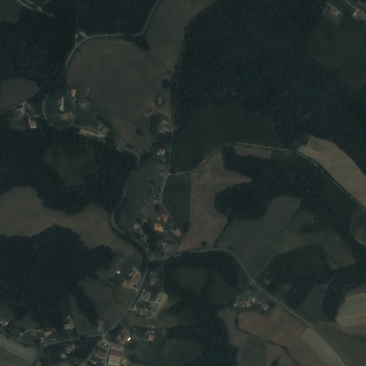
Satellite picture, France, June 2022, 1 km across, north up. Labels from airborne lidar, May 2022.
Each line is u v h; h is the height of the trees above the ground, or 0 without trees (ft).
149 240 33
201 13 22
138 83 0
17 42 38
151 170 0
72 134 72
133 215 0
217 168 0
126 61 0
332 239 0
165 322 0
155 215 0
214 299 0
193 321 0
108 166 35
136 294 0
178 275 0
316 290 0
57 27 34
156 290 20
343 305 0
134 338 0
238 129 0
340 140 19
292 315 0
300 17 75
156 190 0
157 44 0
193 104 63
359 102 52
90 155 0
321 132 36
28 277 74
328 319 0
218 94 68
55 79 83
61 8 39
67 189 28
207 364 68
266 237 0
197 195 0
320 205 30
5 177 63
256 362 0
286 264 0
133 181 0
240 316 0
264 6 26
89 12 25
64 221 0
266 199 36
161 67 0
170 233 21
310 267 18
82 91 0
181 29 0
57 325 56
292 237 0
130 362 0
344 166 0
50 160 0
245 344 0
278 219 0
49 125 36
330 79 25
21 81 0
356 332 0
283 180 72
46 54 18
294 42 31
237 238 0
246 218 31
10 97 0
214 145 0
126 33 27
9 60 46
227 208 42
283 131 74
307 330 0
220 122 0
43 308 87
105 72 0
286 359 0
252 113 30
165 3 0
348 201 0
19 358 0
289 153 0
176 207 0
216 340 68
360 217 0
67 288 44
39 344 35
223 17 30
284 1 71
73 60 0
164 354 0
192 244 0
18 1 0
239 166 53
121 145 0
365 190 0
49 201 25
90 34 30
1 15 0
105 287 0
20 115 0
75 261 71
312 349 0
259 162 34
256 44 48
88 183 41
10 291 42
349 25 0
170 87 60
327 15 0
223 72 35
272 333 0
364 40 0
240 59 54
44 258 42
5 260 52
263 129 0
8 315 0
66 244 81
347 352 0
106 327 0
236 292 0
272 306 47
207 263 49
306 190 67
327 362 0
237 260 0
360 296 0
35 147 87
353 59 0
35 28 33
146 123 0
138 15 23
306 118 26
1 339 0
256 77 73
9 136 54
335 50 0
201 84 94
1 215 0
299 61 41
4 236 47
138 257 0
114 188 68
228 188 30
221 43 27
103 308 0
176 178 0
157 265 50
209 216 0
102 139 0
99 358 0
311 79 41
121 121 0
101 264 83
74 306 0
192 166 0
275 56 22
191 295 78
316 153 0
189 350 0
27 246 55
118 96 0
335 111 33
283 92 61
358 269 48
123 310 0
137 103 0
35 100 40
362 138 28
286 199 0
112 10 31
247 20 45
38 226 0
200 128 0
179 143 0
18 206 0
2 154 62
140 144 0
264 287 0
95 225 0
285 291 0
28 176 73
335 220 23
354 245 40
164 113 0
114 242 0
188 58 47
